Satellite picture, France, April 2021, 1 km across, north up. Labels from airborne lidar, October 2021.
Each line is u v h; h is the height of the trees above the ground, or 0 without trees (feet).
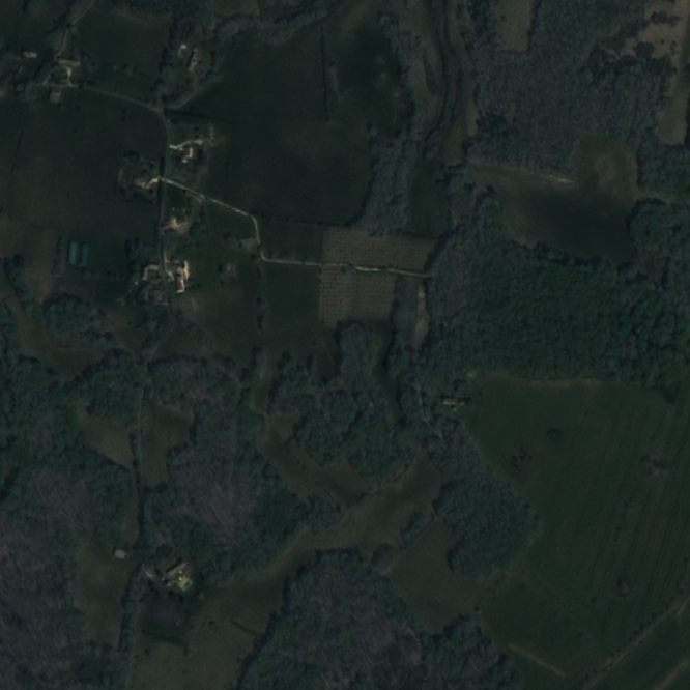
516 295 81
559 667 25
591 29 93
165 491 51
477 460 57
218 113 0
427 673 67
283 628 91
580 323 77
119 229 0
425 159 28
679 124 0
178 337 0
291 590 68
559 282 80
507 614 0
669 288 74
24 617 57
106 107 0
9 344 99
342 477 0
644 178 65
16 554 62
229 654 0
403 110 0
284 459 0
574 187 0
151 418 0
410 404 65
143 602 37
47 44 19
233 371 69
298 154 0
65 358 0
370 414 84
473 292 52
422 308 0
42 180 0
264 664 72
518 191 0
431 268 53
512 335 85
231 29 62
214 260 0
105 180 0
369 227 73
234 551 56
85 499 66
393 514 0
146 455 0
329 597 61
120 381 84
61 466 69
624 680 0
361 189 0
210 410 77
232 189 0
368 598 79
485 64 40
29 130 0
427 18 0
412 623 61
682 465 0
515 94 50
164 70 49
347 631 67
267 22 49
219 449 63
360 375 71
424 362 62
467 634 84
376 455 78
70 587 72
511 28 0
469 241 71
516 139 49
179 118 47
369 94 0
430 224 0
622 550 0
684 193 73
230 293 0
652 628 30
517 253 69
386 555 69
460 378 62
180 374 88
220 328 0
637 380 46
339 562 52
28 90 53
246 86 0
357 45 0
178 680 0
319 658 58
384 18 45
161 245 40
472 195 53
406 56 60
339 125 0
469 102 0
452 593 0
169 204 0
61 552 78
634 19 60
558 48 83
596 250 0
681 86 0
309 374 46
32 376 77
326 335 0
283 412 54
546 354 92
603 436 0
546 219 0
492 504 81
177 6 77
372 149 41
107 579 0
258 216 24
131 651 27
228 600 0
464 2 60
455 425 38
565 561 0
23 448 89
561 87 79
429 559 0
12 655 46
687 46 0
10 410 79
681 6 0
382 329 0
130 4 74
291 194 0
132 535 0
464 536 67
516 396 0
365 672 65
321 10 38
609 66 23
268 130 0
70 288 0
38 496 70
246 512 77
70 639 62
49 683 82
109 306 0
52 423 74
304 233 0
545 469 0
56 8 0
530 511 56
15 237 0
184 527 73
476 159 60
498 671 43
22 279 70
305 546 0
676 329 81
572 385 0
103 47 0
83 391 74
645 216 61
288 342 0
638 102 53
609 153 0
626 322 60
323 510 84
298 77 0
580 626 0
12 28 0
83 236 0
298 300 0
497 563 61
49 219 0
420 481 0
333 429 48
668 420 0
